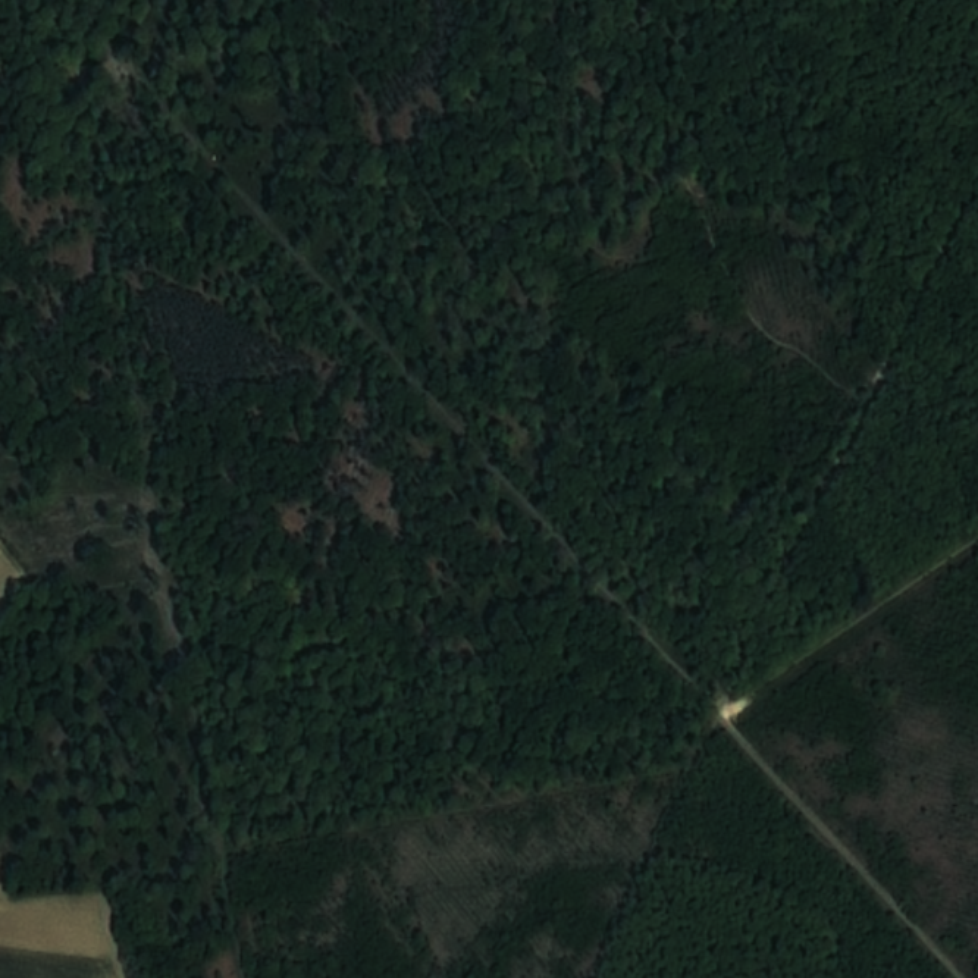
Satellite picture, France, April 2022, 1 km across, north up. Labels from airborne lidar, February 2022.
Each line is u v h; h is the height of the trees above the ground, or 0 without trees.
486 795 27
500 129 34
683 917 19
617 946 18
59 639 23
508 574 27
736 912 23
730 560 31
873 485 26
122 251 27
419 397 22
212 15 36
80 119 36
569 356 34
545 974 0
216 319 16
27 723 28
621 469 32
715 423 7
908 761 0
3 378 32
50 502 32
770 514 25
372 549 27
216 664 32
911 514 24
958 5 29
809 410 10
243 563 27
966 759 0
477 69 29
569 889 7
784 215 31
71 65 37
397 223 32
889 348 21
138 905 26
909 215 25
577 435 31
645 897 19
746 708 0
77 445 31
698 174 34
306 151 31
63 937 0
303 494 25
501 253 32
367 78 17
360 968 6
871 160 16
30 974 0
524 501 0
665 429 33
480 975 8
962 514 24
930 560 22
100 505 0
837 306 34
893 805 0
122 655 0
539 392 22
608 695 23
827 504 27
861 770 7
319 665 28
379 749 22
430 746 26
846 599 28
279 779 28
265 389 23
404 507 24
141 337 18
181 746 32
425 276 32
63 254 0
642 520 30
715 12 27
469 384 24
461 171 32
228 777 36
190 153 28
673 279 11
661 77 35
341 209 31
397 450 24
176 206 27
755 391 6
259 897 8
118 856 0
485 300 33
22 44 33
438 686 30
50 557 0
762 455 11
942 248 26
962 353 28
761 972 20
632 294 8
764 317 0
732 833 14
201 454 29
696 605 28
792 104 29
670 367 11
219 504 33
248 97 37
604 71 30
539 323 30
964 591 6
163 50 0
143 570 0
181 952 15
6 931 0
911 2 23
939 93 26
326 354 21
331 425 22
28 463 27
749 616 27
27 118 31
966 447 29
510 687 30
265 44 38
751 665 30
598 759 24
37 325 22
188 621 23
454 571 26
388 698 30
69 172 29
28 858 26
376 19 27
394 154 24
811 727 0
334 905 0
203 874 32
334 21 26
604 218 33
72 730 28
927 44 27
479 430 8
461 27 18
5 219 21
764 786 13
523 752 21
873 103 26
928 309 24
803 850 15
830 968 22
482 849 0
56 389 12
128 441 25
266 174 7
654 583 29
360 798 28
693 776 10
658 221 10
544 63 28
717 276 12
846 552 26
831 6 34
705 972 22
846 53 32
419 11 23
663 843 9
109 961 0
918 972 15
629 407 21
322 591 30
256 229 18
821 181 29
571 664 27
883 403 23
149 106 25
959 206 24
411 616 29
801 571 27
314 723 28
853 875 15
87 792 34
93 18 35
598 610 25
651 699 25
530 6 26
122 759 34
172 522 13
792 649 32
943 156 30
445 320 0
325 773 29
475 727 31
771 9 24
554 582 27
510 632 27
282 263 17
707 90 30
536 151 34
